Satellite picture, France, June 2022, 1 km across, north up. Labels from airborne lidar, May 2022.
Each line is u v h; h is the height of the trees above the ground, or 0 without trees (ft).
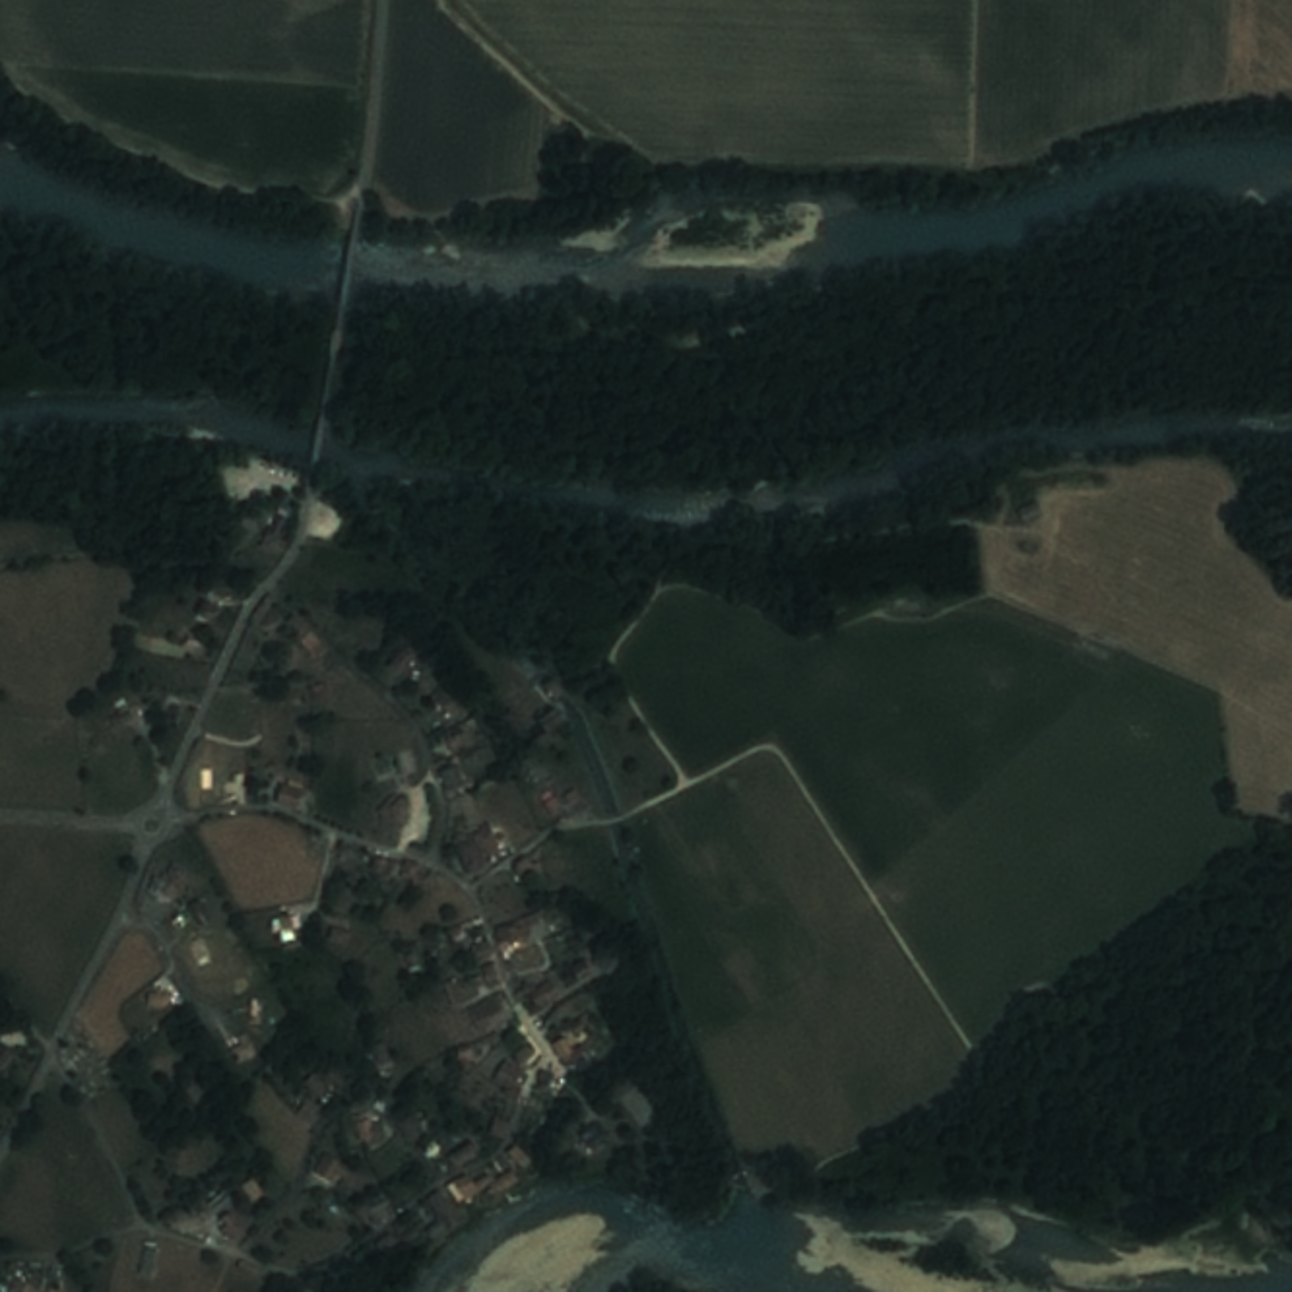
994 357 79
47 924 0
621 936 40
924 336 79
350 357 46
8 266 66
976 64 0
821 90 0
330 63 0
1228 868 57
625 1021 59
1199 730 0
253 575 42
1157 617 0
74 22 0
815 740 0
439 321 97
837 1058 0
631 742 0
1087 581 0
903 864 0
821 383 65
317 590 0
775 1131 0
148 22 0
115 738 0
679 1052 75
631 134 0
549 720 0
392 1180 27
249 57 0
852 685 0
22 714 0
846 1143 0
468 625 32
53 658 0
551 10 0
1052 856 0
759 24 0
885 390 81
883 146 0
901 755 0
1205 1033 68
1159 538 0
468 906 0
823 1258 0
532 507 52
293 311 60
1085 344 73
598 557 61
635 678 0
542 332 70
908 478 97
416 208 0
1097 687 0
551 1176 56
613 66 0
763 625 0
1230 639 0
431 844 18
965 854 0
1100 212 58
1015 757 0
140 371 81
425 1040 0
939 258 47
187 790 0
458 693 49
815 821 0
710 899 0
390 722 0
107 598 0
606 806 0
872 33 0
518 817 0
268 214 88
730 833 0
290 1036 41
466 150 0
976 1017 0
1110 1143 66
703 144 0
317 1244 0
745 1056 0
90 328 81
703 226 20
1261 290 81
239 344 43
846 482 0
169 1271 0
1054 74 0
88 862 0
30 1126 52
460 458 85
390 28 0
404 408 73
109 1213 0
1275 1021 76
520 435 110
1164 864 0
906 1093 0
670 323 88
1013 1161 71
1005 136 0
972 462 104
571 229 89
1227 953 75
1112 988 63
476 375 55
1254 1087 49
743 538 96
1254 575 0
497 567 94
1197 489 0
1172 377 75
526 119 0
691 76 0
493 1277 0
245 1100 31
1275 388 75
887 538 30
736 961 0
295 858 0
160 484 27
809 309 65
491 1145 32
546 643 66
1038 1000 65
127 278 69
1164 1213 109
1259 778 0
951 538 31
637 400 68
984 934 0
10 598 0
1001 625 0
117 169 89
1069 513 0
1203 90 0
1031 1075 81
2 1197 0
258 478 0
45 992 0
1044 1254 0
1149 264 80
